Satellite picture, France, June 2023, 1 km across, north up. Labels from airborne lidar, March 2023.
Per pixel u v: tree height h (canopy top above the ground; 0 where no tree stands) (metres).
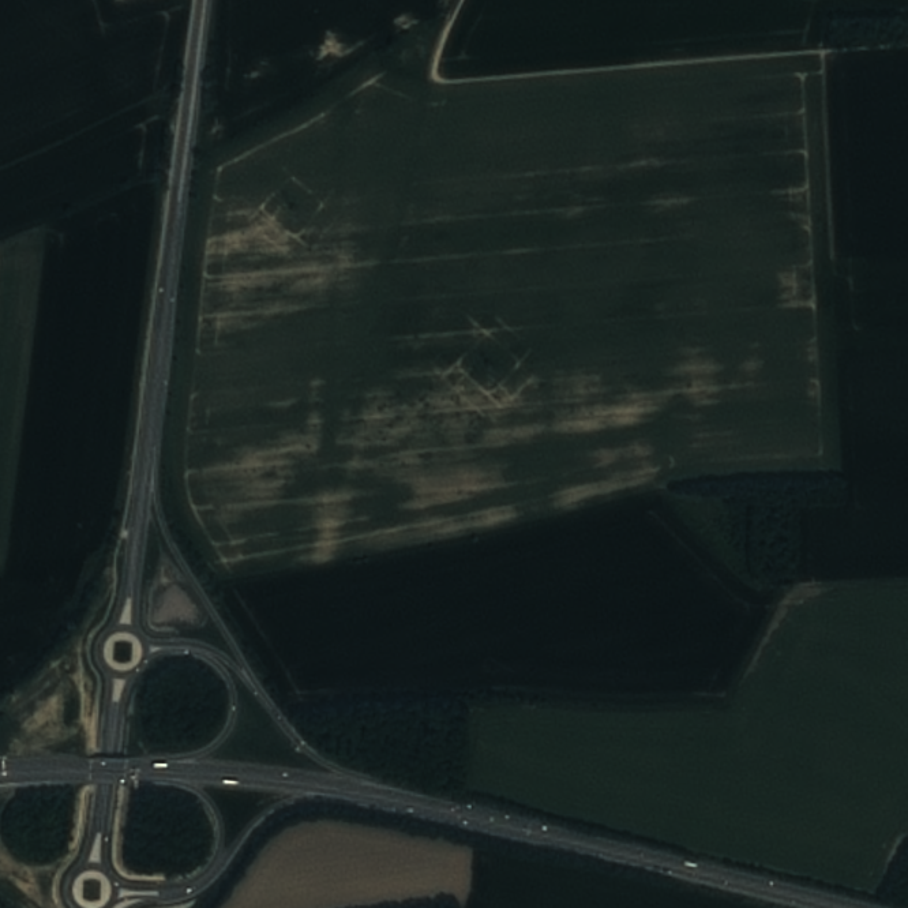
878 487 0
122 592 0
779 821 0
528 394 0
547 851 12
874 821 0
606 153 0
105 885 0
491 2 0
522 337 0
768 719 0
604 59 0
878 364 0
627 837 10
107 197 0
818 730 0
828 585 0
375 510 0
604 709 0
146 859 16
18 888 0
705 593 0
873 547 0
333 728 18
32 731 0
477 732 0
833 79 0
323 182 0
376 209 0
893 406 0
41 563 0
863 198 0
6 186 0
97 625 0
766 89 0
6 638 0
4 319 0
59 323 0
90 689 0
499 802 11
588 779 0
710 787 0
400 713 23
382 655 0
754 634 0
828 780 0
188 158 0
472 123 0
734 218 0
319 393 0
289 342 0
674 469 0
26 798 14
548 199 0
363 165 0
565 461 0
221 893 9
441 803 0
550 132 0
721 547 0
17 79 0
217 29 0
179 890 0
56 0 0
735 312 0
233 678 0
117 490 0
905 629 0
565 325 0
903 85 0
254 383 0
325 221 0
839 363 0
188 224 0
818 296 0
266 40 0
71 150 0
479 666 0
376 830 0
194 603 0
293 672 0
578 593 0
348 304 0
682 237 0
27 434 0
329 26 0
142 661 0
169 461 0
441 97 0
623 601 0
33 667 7
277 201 0
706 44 0
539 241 0
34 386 0
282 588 0
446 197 0
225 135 0
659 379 0
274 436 0
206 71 11
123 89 0
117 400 0
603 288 0
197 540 0
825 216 0
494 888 0
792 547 14
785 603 0
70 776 0
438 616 0
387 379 0
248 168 0
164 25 0
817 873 0
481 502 0
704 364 0
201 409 0
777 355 0
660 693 0
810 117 0
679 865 0
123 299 0
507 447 0
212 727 10
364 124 0
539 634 0
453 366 0
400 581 0
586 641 0
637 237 0
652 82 0
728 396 0
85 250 0
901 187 0
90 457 0
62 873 0
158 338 0
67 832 11
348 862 0
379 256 0
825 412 0
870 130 0
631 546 0
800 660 0
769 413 0
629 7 0
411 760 23
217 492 0
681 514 0
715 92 0
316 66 0
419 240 0
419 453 0
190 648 0
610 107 0
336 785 0
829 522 0
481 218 0
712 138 0
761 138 0
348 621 0
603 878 0
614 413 0
